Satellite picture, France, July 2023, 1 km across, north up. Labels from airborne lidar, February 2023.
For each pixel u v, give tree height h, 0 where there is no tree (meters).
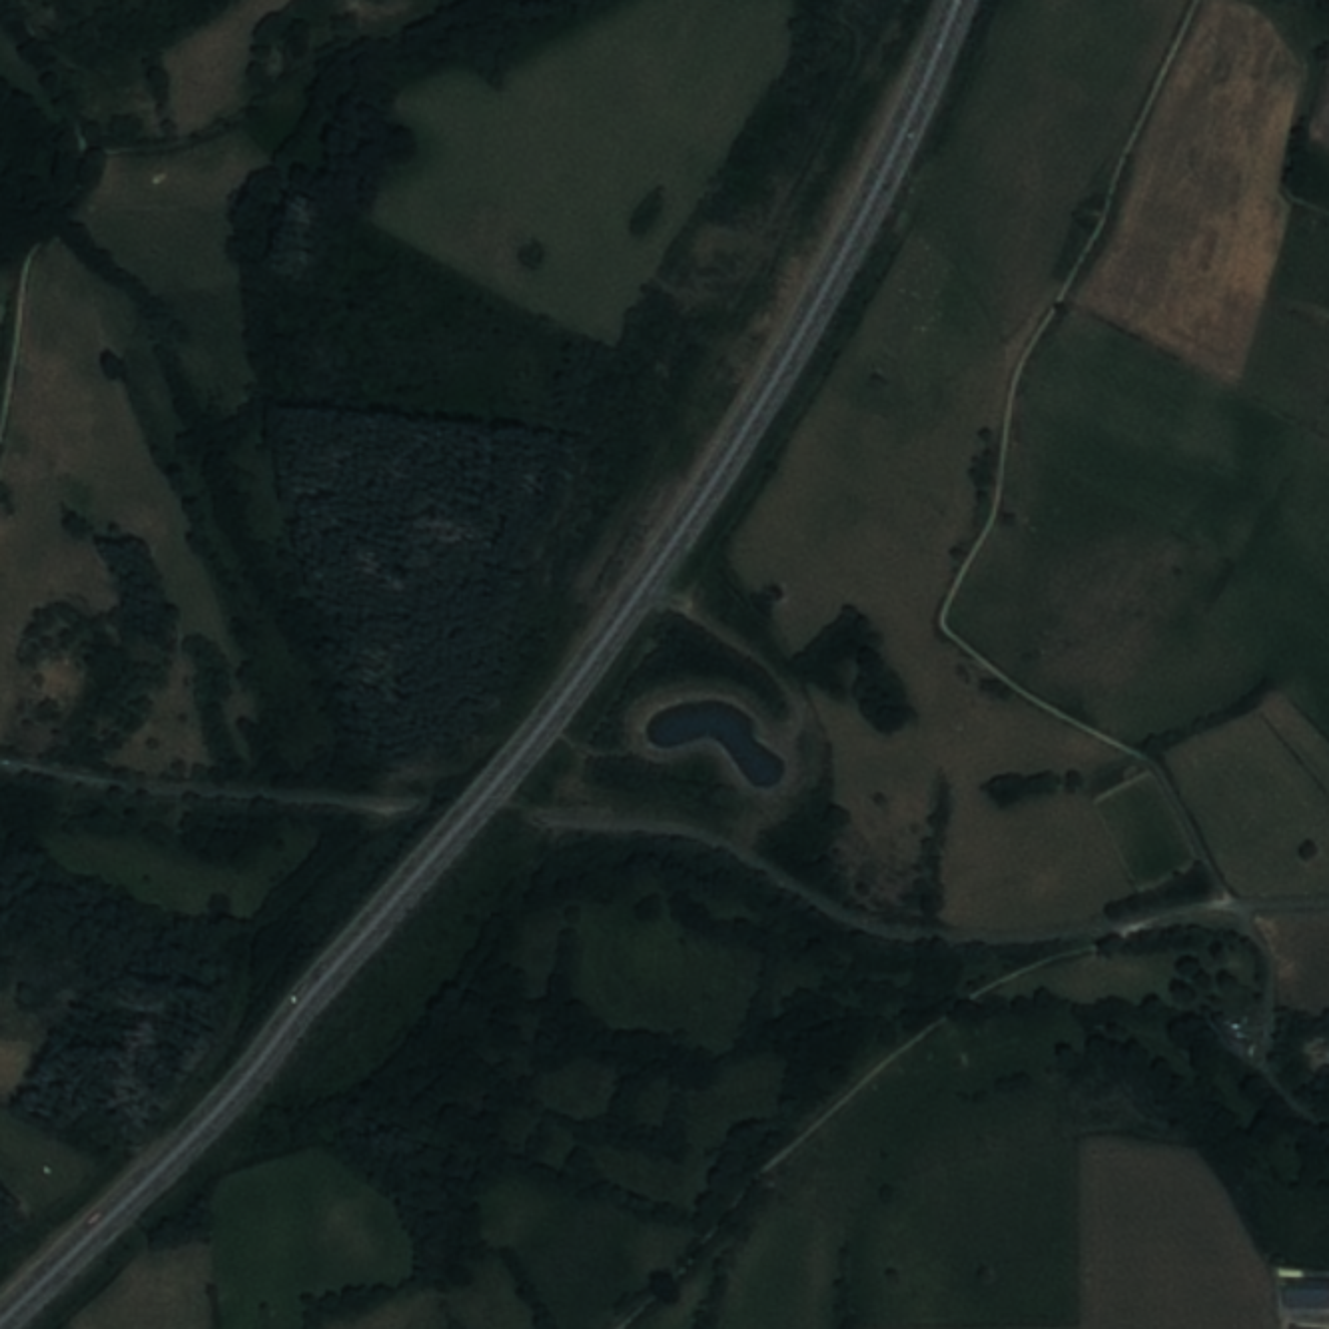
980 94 0
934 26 0
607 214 0
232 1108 0
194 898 0
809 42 6
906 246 0
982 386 0
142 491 0
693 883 21
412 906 0
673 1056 7
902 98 0
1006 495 0
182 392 10
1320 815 0
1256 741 0
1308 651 0
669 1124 9
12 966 8
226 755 7
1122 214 0
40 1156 0
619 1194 13
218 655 10
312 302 8
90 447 0
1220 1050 22
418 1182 19
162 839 8
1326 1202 0
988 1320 0
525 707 0
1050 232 0
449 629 15
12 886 12
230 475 9
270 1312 10
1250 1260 0
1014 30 0
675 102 0
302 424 24
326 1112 10
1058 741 0
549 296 0
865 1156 0
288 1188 0
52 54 7
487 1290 0
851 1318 6
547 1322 17
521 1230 0
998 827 0
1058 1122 0
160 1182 0
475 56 8
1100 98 0
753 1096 0
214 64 0
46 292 0
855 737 0
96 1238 0
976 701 0
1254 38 0
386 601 21
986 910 0
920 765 0
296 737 0
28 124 14
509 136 0
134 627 15
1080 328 0
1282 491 0
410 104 0
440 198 0
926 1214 0
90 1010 19
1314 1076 6
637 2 0
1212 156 0
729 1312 0
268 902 7
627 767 8
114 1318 0
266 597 9
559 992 15
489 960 12
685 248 0
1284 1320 0
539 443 22
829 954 16
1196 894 6
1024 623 0
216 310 0
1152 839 0
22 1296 0
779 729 0
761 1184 8
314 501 22
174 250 0
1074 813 0
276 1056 0
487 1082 15
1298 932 0
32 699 0
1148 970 0
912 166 0
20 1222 15
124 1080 26
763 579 0
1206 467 0
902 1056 0
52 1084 25
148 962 8
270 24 14
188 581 0
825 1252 0
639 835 8
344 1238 0
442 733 16
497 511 23
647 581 0
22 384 0
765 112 0
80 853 0
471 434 22
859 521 0
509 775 0
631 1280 0
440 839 0
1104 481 0
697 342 6
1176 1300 0
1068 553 0
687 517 0
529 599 10
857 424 0
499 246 0
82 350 0
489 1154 13
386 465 22
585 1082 0
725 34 0
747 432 0
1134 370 0
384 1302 19
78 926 11
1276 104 0
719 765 0
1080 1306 0
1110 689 0
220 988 13
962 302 0
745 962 0
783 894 9
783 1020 11
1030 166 0
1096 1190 0
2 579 0
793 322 0
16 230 18
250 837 17
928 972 8
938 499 0
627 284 0
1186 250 0
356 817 7
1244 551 0
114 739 9
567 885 16
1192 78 0
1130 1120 0
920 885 8
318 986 0
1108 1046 17
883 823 0
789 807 0
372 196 18
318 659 12
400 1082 7
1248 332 0
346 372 7
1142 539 0
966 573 0
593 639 0
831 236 0
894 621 0
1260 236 0
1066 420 0
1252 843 0
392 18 0
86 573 0
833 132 0
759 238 0
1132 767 0
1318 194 0
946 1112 0
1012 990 0
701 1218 9
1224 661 0
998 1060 0
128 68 0
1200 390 0
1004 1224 0
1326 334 0
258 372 9
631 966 0
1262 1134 17
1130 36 0
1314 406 0
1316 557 0
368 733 14
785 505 0
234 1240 0
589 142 0
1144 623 0
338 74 19
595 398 9
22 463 0
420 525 27
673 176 0
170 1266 0
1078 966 0
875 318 0
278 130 0
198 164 0
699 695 0
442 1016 27
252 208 29
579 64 0
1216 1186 0
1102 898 0
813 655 8
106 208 0
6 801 9
